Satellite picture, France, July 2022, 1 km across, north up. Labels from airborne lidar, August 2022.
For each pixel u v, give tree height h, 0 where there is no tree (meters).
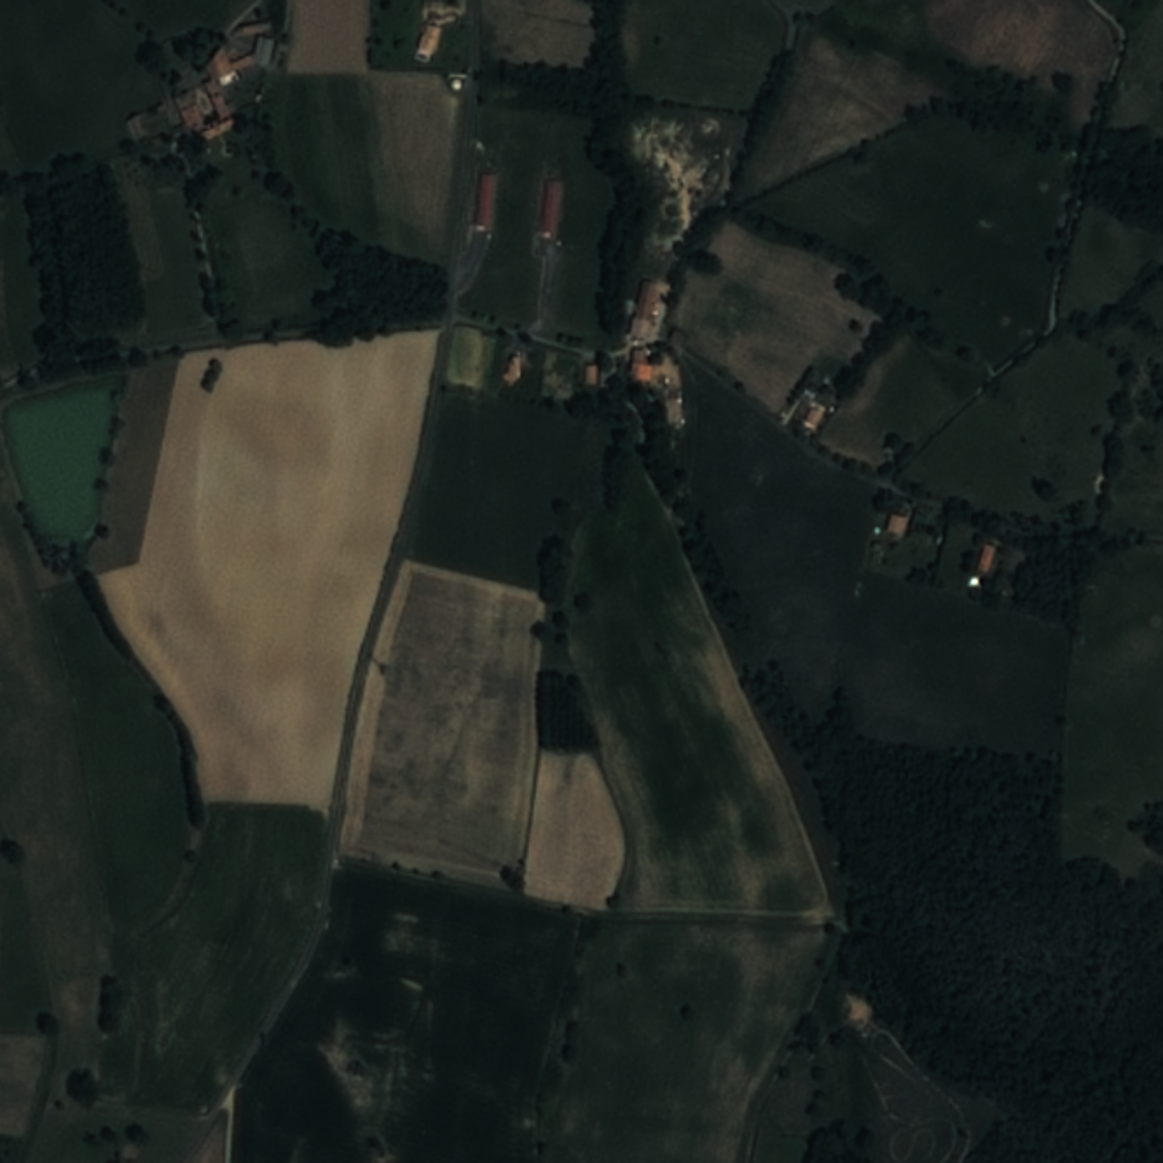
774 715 25
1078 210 9
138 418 0
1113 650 0
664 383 0
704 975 0
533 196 0
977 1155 7
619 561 0
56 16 0
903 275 0
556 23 0
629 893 0
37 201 19
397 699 0
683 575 0
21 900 0
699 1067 0
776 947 0
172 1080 0
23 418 0
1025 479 0
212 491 0
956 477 0
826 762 26
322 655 0
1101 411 0
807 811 0
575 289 0
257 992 0
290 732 0
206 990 0
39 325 0
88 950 0
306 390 0
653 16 0
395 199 0
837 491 0
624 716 0
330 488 0
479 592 0
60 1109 7
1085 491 0
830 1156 19
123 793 0
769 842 0
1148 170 9
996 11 0
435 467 0
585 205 0
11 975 0
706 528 12
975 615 0
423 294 24
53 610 0
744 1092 0
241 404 0
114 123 0
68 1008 0
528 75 14
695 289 0
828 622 0
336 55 0
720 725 0
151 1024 0
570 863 0
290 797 0
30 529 13
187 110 0
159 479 0
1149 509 0
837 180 0
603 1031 0
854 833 10
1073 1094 10
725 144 0
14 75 0
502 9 0
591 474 0
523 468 0
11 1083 0
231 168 0
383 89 0
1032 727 0
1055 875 13
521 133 0
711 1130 0
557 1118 0
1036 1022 7
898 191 0
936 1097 0
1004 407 0
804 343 0
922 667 0
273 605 0
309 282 0
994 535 18
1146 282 7
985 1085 15
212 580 0
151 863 0
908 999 26
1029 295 0
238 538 0
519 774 0
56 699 0
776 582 0
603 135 10
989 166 0
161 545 0
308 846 0
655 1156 0
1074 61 0
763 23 0
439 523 0
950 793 18
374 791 0
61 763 0
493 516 0
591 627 0
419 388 0
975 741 0
